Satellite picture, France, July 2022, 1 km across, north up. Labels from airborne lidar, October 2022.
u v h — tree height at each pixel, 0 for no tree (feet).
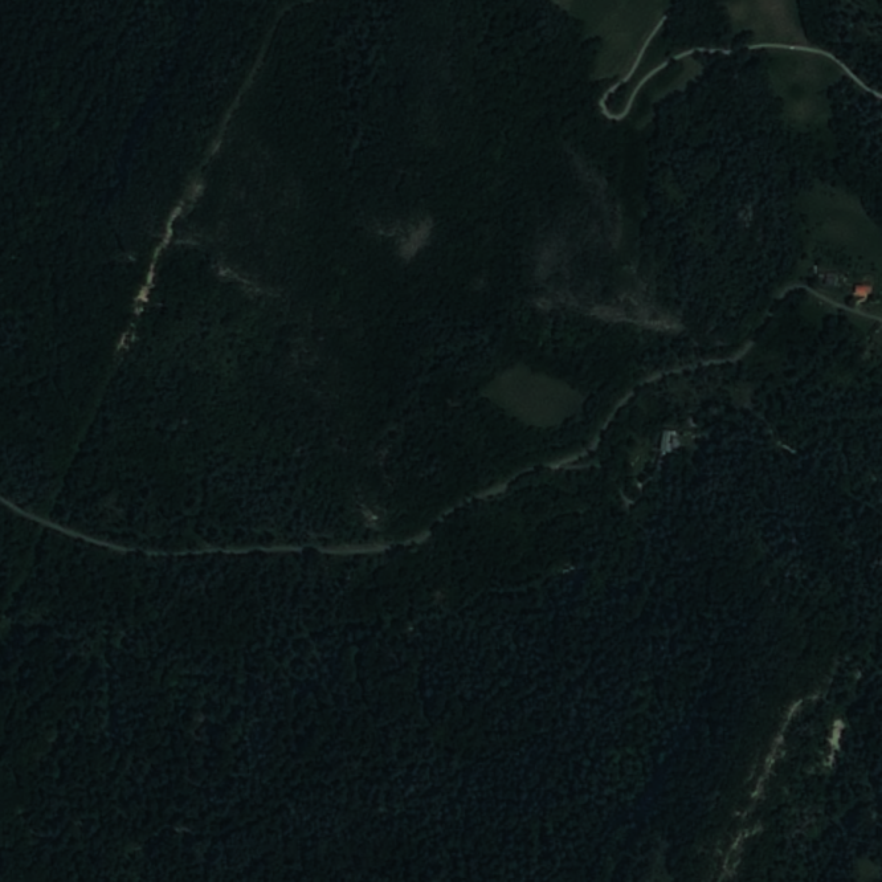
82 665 89
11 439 73
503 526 67
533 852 87
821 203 0
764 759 36
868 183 65
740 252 55
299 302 33
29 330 72
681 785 68
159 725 86
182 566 52
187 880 56
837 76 0
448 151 42
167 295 51
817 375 37
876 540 44
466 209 55
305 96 30
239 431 35
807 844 79
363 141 56
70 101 64
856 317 0
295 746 34
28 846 78
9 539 76
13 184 67
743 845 20
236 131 24
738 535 31
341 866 104
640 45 0
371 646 133
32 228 63
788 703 44
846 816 36
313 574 102
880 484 25
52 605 81
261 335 24
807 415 82
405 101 57
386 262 48
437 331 97
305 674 100
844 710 22
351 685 89
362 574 66
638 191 19
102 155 60
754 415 73
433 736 79
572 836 94
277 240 30
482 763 88
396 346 57
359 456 35
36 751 82
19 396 71
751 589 50
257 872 76
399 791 72
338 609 51
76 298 57
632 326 49
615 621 95
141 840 81
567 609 82
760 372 22
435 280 63
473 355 62
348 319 36
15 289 50
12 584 71
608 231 30
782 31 0
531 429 32
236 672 93
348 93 32
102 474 65
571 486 47
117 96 61
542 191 56
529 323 59
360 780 58
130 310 25
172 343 24
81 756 88
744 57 82
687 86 0
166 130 39
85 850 43
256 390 34
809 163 74
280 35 40
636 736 89
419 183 35
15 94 67
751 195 101
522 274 60
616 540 25
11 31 56
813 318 0
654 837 43
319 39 33
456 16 40
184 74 67
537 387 0
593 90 52
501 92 81
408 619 64
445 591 53
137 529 68
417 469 88
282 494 86
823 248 20
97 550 55
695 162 100
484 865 75
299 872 56
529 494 78
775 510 127
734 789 36
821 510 76
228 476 70
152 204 26
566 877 81
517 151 43
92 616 101
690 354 65
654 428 35
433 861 44
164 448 61
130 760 64
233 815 90
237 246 24
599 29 0
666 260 71
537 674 37
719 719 62
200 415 42
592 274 32
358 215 26
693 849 40
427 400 67
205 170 24
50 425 62
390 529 33
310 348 24
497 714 100
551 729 81
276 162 29
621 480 30
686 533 54
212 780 46
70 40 76
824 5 68
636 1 0
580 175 29
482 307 57
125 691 78
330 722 61
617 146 87
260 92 27
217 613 73
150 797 65
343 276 43
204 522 77
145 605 102
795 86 0
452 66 31
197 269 33
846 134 59
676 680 70
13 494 106
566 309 47
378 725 85
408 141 34
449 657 79
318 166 28
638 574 110
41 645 104
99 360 51
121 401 41
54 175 62
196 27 43
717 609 56
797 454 21
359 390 38
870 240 0
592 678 74
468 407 70
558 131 88
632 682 83
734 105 100
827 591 78
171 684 71
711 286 27
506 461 55
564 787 75
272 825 59
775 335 22
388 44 40
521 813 91
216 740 100
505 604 90
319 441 32
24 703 97
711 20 75
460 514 61
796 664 44
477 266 47
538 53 58
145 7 59
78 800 51
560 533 54
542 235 22
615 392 64
